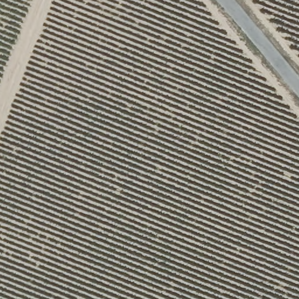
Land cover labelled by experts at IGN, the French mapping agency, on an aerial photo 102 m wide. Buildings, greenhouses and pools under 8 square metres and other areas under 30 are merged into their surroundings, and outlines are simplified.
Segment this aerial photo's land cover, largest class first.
<instances>
[{"label":"vineyard","instance_id":"1","mask_svg":"<svg viewBox=\"0 0 299 299\"><path fill-rule=\"evenodd\" d=\"M30 0H0V81L13 44L18 40L22 20L28 13ZM220 22L213 19V15L207 11V6L199 0H53L47 19L43 23V32L36 41L26 72L21 79L20 91L15 95L6 126L0 134V299H299V121L297 114L291 112L290 105L283 103V97L278 95L276 88L266 84L264 76L257 75V69L252 67L251 58L243 56V50L237 48L236 41L229 39L227 30L220 28ZM253 4L260 5V12L273 16L270 22L276 23L278 32L288 34L285 40L291 42L290 48L299 51V0H253Z\"/></svg>","mask_w":299,"mask_h":299},{"label":"pervious surface","instance_id":"2","mask_svg":"<svg viewBox=\"0 0 299 299\"><path fill-rule=\"evenodd\" d=\"M53 0H30L28 13L22 20L18 40L13 44L0 81V134L6 126L15 95L20 91L21 79L26 72L36 41L43 32V23L47 19Z\"/></svg>","mask_w":299,"mask_h":299},{"label":"plowed land","instance_id":"3","mask_svg":"<svg viewBox=\"0 0 299 299\"><path fill-rule=\"evenodd\" d=\"M207 6V11L213 15V19L220 22V28L227 30L229 39L236 41L237 48L243 50V56L251 58L252 67L257 69V75L264 76L266 84L276 88L278 95L283 97V103L290 105L291 112L297 114L299 121V106L294 103L290 93L279 84L270 70L264 67L262 61L246 47L236 30L230 27V23L210 0H199ZM253 14L280 43L285 53L299 65V51L290 48L291 42L285 40L288 34L278 32L276 23L270 22L273 16L260 12V5L253 4V0H244Z\"/></svg>","mask_w":299,"mask_h":299},{"label":"impervious surface","instance_id":"4","mask_svg":"<svg viewBox=\"0 0 299 299\"><path fill-rule=\"evenodd\" d=\"M299 97V76L235 0H217Z\"/></svg>","mask_w":299,"mask_h":299},{"label":"herbaceous vegetation","instance_id":"5","mask_svg":"<svg viewBox=\"0 0 299 299\"><path fill-rule=\"evenodd\" d=\"M230 23V27L236 30L246 47L262 61L264 67L270 70L279 84L290 93L294 103L299 106V97L217 0H210ZM299 76V65L285 53L280 43L253 14L244 0H235Z\"/></svg>","mask_w":299,"mask_h":299}]
</instances>
